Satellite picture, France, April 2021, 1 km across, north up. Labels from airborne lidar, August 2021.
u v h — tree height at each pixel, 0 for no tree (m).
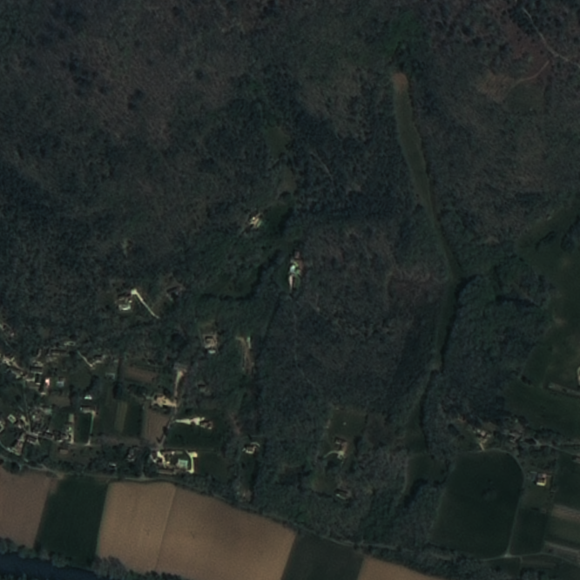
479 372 16
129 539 0
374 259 14
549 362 0
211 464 0
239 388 16
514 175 13
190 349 19
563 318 0
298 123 22
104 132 12
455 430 11
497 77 12
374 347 13
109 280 11
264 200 20
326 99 14
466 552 0
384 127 16
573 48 12
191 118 17
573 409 0
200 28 16
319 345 15
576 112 16
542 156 14
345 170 13
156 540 0
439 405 14
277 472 18
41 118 13
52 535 0
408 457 14
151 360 15
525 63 12
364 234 17
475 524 0
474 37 22
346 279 16
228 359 18
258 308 19
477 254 17
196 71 22
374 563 0
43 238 12
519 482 0
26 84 19
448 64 16
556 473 16
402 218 16
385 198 13
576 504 0
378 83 13
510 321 16
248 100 24
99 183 14
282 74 10
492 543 0
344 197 10
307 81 13
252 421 9
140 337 18
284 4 14
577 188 16
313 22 19
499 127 14
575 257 0
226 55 18
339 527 16
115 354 21
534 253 0
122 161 21
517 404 0
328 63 13
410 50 20
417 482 0
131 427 0
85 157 10
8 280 10
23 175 13
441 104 14
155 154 17
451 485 0
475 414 7
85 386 0
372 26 19
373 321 8
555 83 15
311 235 19
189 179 13
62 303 9
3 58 20
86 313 15
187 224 20
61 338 16
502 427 16
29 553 11
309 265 17
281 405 19
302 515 17
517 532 0
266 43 18
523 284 18
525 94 0
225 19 18
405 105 0
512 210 11
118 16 14
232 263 15
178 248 13
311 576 0
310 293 16
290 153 18
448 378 14
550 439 18
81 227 16
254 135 17
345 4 17
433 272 17
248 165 15
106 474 17
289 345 9
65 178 10
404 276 15
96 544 0
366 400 13
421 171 0
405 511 14
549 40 7
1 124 10
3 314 10
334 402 18
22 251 11
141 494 0
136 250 11
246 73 18
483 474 0
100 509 0
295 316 15
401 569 0
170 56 17
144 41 12
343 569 0
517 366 18
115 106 15
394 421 22
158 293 21
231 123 18
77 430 0
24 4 19
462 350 18
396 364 10
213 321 20
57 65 14
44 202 15
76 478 9
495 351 16
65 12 19
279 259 11
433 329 7
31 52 19
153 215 18
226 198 11
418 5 14
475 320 16
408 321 13
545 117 17
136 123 17
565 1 24
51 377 13
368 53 22
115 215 13
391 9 14
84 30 14
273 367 14
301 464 19
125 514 0
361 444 21
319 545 0
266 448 12
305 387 11
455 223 17
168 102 16
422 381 17
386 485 20
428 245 22
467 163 13
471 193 11
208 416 0
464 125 14
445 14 23
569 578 0
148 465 9
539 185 16
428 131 12
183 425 0
